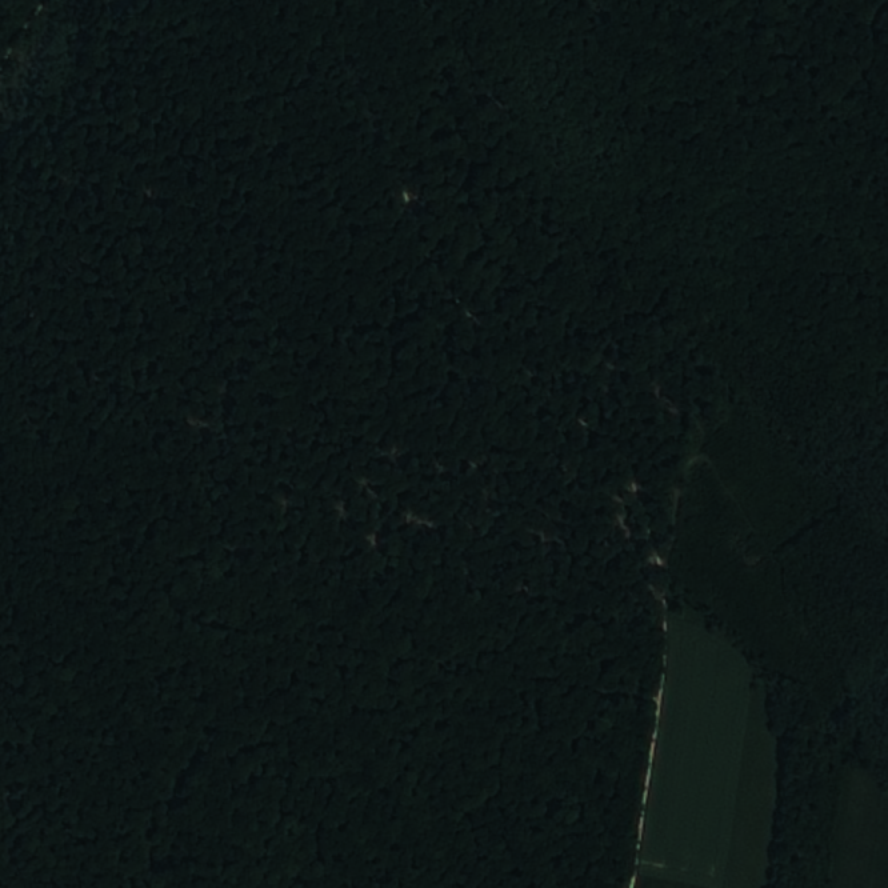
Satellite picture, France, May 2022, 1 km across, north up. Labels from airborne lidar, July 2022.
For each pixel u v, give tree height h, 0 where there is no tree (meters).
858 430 18
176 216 32
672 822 0
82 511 29
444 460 29
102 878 32
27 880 26
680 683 0
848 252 30
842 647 17
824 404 15
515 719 31
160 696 27
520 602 30
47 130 23
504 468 23
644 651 29
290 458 26
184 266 29
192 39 33
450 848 32
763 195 24
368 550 29
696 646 0
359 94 31
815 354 28
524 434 30
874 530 19
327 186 28
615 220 28
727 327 27
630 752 26
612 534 23
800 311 29
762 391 17
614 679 25
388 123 29
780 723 16
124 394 30
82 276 31
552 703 27
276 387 32
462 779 32
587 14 29
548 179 21
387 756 29
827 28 31
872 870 0
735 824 0
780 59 29
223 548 8
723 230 23
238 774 27
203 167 30
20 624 29
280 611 30
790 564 16
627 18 32
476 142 34
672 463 30
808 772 25
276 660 24
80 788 31
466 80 34
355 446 28
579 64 27
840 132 29
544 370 30
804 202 28
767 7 34
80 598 25
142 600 28
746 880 0
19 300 29
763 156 28
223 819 27
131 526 29
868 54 30
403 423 28
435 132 9
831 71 31
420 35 30
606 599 31
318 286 30
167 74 29
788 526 7
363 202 27
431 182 32
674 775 0
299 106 31
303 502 31
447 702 26
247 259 30
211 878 25
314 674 31
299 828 27
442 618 25
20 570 31
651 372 32
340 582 30
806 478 9
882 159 27
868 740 28
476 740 29
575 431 27
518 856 29
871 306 33
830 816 10
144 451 30
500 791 26
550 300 33
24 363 31
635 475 30
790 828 28
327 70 30
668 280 27
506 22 28
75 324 28
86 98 27
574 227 31
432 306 30
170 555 29
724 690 0
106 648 31
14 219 36
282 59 28
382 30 29
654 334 41
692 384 34
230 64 28
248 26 25
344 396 28
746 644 12
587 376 27
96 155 33
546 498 30
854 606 20
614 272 30
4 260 34
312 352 25
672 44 31
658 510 29
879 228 32
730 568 7
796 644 7
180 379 31
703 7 34
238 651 33
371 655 30
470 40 26
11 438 31
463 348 12
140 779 31
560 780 29
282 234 27
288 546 31
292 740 29
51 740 33
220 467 30
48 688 32
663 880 0
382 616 25
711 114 28
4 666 33
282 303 31
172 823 31
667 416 32
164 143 29
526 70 21
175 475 29
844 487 27
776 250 30
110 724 30
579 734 23
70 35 24
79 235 31
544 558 29
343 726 30
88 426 30
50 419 27
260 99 33
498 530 29
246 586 31
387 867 23
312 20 31
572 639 26
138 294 30
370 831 27
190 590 29
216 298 28
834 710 10
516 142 25
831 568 17
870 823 0
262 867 27
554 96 24
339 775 30
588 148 21
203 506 29
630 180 27
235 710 32
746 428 7
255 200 31
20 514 28
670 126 28
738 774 0
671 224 20
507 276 30
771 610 9
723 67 29
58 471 30
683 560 7
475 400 30
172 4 30
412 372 29
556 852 27
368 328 29
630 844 16
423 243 23
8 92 16
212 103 35
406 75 31
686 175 26
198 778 35
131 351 29
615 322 35
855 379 25
